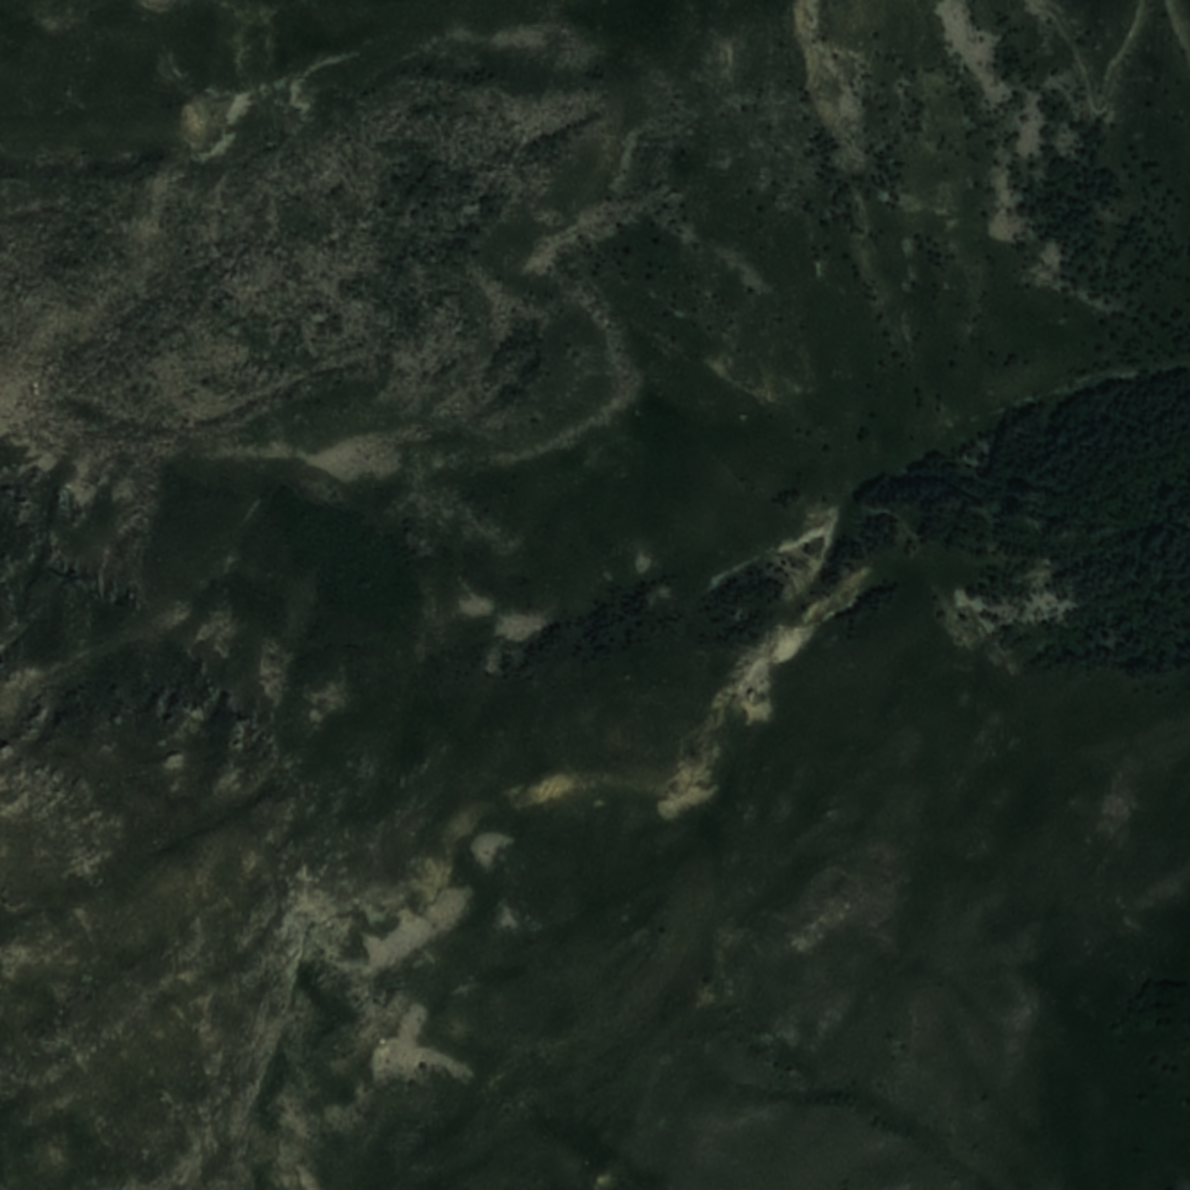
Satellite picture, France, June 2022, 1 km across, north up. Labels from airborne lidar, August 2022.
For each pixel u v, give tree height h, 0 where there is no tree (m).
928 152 0
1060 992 0
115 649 0
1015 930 0
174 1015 0
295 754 0
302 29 0
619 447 0
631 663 0
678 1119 0
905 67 7
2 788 0
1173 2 0
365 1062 0
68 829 0
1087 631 7
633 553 0
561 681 0
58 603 0
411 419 0
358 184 0
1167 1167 0
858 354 0
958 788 0
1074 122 7
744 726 0
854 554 11
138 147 0
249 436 0
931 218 0
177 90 0
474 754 0
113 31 0
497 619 0
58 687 0
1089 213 12
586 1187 0
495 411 0
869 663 0
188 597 0
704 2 0
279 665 0
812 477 0
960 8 0
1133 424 9
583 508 0
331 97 0
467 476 0
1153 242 9
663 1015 0
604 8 0
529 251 0
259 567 0
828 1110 0
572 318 0
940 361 0
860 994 0
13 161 0
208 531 0
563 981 0
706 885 0
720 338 0
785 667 0
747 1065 0
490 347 0
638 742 0
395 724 0
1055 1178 0
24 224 0
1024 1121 0
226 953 0
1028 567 10
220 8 0
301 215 0
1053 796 0
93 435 0
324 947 0
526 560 0
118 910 0
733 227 0
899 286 0
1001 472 12
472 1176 0
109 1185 0
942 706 0
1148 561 10
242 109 0
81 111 0
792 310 0
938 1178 0
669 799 0
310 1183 0
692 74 0
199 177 0
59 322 0
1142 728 0
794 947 0
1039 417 16
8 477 0
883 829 0
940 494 13
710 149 0
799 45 0
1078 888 0
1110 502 9
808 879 0
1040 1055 0
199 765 0
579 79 0
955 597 0
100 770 0
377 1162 0
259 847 0
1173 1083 0
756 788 0
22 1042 0
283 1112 0
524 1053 0
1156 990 14
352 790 0
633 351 0
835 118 0
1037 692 0
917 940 0
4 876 0
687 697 0
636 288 0
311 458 0
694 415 0
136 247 0
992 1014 0
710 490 0
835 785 0
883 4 0
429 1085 0
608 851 0
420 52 0
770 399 0
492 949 0
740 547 0
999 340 0
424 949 0
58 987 0
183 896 0
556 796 0
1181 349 12
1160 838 0
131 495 0
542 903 0
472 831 0
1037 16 0
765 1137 0
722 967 0
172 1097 0
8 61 0
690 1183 0
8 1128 0
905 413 0
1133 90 0
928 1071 0
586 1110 0
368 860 0
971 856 0
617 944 0
